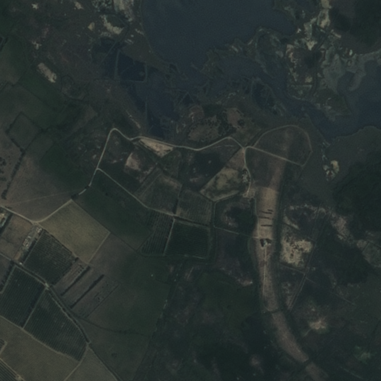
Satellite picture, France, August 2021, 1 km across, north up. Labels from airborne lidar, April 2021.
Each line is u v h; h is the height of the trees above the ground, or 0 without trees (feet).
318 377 0
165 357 0
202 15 0
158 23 0
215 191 0
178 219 64
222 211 0
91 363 0
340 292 0
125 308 0
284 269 0
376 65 0
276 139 0
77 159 0
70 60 0
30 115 0
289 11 0
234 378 0
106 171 0
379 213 0
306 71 0
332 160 0
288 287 0
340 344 0
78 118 0
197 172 0
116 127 0
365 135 0
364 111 0
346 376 0
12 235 0
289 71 0
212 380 0
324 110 0
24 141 0
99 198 0
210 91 0
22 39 0
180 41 0
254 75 0
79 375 0
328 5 0
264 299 0
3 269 0
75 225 0
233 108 0
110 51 0
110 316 0
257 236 0
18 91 0
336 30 0
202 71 0
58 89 0
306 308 0
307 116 0
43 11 0
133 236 0
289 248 0
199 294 0
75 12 0
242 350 0
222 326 0
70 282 0
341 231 0
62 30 0
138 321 0
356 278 0
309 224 0
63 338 0
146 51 0
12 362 0
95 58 0
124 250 0
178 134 0
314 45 0
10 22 0
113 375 0
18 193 0
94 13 0
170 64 0
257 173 0
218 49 0
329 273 0
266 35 0
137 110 0
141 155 0
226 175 0
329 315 0
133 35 0
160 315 0
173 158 0
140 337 0
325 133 0
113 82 0
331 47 0
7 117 0
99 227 0
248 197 0
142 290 0
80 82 0
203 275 0
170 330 0
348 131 0
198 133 0
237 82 0
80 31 0
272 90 0
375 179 0
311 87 0
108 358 0
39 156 0
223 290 0
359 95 0
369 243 0
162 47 0
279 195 0
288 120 0
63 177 0
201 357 0
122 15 0
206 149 0
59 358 0
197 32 0
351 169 0
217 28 0
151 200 0
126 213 0
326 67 0
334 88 0
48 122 0
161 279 0
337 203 0
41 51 0
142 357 0
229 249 0
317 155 0
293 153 0
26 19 0
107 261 0
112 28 0
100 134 0
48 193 0
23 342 0
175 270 0
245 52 0
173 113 0
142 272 0
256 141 0
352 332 0
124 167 0
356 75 0
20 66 0
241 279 0
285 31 0
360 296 0
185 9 0
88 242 0
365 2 0
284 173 0
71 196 0
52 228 0
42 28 0
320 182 0
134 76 0
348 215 0
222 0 0
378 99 0
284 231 0
